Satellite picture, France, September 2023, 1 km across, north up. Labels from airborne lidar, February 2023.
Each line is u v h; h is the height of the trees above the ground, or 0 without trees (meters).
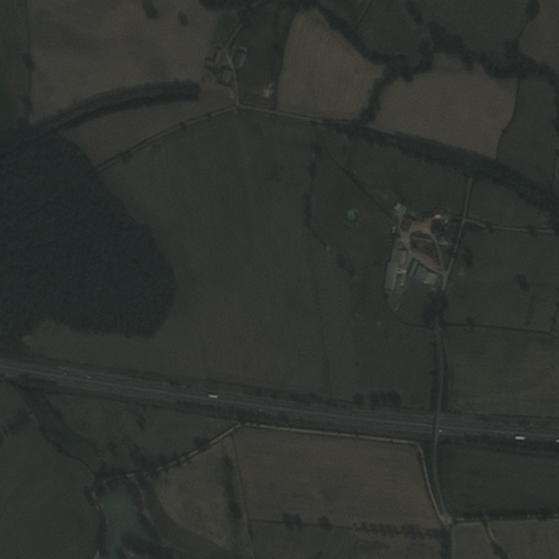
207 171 0
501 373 0
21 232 23
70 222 21
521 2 0
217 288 0
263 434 0
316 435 0
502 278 0
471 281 0
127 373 0
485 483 0
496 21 0
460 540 0
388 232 0
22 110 0
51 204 16
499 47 0
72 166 22
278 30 0
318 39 0
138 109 0
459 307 0
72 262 19
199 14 0
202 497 0
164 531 0
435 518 0
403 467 0
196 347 0
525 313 0
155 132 0
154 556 17
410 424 0
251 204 0
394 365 0
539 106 0
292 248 0
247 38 0
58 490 0
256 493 0
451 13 0
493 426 0
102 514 14
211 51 0
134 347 0
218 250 0
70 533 0
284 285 0
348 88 0
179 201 0
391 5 0
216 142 0
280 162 0
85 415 0
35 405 0
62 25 0
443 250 0
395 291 0
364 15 0
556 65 0
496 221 0
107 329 19
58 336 0
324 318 0
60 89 0
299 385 0
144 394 0
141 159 0
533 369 0
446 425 0
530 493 0
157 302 19
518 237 0
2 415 0
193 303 0
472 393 0
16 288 12
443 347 0
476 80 0
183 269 0
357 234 0
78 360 0
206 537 0
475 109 0
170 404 0
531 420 0
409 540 0
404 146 17
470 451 0
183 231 0
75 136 0
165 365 0
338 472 0
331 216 0
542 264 0
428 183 0
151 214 0
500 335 0
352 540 0
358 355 0
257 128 0
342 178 0
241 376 0
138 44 0
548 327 0
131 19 0
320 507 0
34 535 0
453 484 0
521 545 0
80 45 0
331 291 0
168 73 0
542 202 17
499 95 0
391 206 0
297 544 0
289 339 0
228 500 0
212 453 0
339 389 0
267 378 0
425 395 0
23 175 20
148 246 24
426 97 0
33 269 22
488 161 13
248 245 0
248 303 0
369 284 0
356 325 0
